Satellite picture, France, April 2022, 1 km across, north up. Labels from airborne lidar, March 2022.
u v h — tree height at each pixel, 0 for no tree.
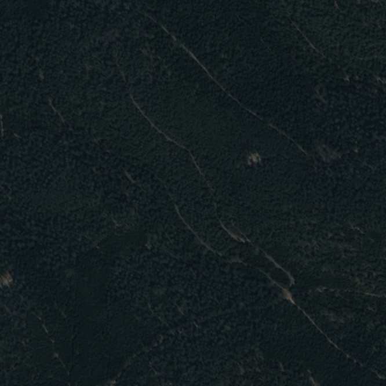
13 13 18
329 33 29
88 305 11
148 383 9
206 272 27
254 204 28
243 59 24
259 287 30
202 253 13
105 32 26
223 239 8
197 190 28
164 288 25
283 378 10
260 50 31
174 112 19
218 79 28
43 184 30
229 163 20
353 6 18
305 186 21
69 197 25
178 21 17
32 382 11
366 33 7
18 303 28
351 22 25
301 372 15
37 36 33
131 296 6
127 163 24
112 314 12
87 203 21
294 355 17
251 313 18
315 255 20
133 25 24
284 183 27
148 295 26
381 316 21
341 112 16
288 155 21
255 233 17
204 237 25
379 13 32
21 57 34
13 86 31
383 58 26
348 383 19
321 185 32
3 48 27
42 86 29
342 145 30
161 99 25
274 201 19
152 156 26
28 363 9
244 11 28
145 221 24
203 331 10
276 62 25
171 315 25
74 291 16
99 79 9
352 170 30
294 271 13
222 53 27
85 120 20
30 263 22
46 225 25
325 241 28
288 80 31
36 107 32
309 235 6
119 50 23
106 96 30
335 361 17
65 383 12
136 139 30
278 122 28
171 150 31
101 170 38
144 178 34
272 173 30
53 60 29
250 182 28
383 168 27
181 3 28
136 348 11
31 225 35
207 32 34
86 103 21
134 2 30
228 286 10
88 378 11
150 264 32
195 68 23
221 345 26
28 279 16
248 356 13
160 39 21
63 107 26
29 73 34
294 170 24
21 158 29
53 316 11
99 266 16
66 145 41
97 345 12
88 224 12
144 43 15
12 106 30
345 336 19
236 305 31
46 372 11
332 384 11
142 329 8
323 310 22
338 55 28
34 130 11
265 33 27
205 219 28
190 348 24
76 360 14
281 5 29
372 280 33
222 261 29
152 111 25
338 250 10
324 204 36
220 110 21
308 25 26
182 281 36
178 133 23
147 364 9
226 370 29
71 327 13
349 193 31
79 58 26
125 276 17
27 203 8
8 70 34
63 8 36
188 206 29
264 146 26
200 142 21
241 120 23
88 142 28
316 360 15
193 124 21
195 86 22
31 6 23
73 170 32
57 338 10
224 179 28
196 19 13
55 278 14
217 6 26
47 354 10
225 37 27
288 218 19
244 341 7
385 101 27
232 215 26
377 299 12
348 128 33
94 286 13
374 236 7
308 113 24
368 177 27
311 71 15
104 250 15
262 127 18
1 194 19
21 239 39
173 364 11
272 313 14
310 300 29
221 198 27
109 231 11
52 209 25
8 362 8
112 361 14
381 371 25
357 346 25
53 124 32
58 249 31
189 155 27
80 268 18
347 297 16
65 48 27
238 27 30
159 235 28
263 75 24
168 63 10
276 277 8
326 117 18
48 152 26
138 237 9
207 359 26
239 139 20
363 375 15
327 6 26
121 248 15
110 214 7
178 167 23
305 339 20
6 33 32
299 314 19
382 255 8
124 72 23
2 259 11
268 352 19
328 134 28
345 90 15
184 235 30
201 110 20
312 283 15
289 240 28
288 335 14
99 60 23
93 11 34
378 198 26
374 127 30
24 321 7
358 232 6
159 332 13
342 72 18
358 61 24
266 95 24
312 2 31
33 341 8
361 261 6
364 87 16
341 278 8
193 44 26
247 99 27
